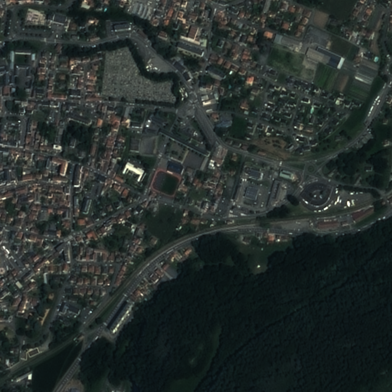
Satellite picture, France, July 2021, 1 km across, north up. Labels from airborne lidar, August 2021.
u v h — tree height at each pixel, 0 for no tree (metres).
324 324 24
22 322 0
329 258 28
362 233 14
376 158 20
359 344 15
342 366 16
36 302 0
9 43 26
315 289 14
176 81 28
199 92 0
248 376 20
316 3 18
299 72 0
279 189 0
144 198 0
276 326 22
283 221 0
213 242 18
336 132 0
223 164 8
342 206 0
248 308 26
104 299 0
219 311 14
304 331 32
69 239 0
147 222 0
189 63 6
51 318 0
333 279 22
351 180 13
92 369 20
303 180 0
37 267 0
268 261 0
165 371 17
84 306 9
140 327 18
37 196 0
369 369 18
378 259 31
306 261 30
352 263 26
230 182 0
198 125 6
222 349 20
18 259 0
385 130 0
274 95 10
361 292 21
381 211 0
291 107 5
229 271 24
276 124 6
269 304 23
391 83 0
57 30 0
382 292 23
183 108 0
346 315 25
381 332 19
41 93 8
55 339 6
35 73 10
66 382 0
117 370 20
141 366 20
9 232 6
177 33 23
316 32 0
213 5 0
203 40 0
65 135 14
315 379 17
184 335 12
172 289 20
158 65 0
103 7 10
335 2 0
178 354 11
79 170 0
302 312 31
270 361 7
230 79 9
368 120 0
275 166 0
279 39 0
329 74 0
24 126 0
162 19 0
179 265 13
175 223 0
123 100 12
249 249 0
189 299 17
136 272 0
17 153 0
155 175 0
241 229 0
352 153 15
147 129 0
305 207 0
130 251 0
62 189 0
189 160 0
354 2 0
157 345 8
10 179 0
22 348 9
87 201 0
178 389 0
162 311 14
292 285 9
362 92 0
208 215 0
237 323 22
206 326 15
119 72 0
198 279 22
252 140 0
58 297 0
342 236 14
